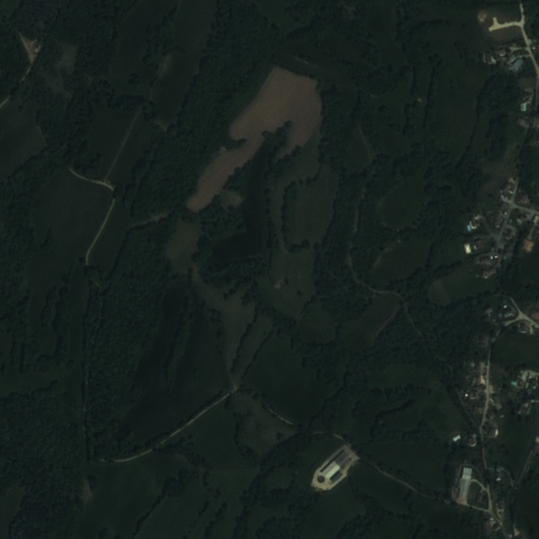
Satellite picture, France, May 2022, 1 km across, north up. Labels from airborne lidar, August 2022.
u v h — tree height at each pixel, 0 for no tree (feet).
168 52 52
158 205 52
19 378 0
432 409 0
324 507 0
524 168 47
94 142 0
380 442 31
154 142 23
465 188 33
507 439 0
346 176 56
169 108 0
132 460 0
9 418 57
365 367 51
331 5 68
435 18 0
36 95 31
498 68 35
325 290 42
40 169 61
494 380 0
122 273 50
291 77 0
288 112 0
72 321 0
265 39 66
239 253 0
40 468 51
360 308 32
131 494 0
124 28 0
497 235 0
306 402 0
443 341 47
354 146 0
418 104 41
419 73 44
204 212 42
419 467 0
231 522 0
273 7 0
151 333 40
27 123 0
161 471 0
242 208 0
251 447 0
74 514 72
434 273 26
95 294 50
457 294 0
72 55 0
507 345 0
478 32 0
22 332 69
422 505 0
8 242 36
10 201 38
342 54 0
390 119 38
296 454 42
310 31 52
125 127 0
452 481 51
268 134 19
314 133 0
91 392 53
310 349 52
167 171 71
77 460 61
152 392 0
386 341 40
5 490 28
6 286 71
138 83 61
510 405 38
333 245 42
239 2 73
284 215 36
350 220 44
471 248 0
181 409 0
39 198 0
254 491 41
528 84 0
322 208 0
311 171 0
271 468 39
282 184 0
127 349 56
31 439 32
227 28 71
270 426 0
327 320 0
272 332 22
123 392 51
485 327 48
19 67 33
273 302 0
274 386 0
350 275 46
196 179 48
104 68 67
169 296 0
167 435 29
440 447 26
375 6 0
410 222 0
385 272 0
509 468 43
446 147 0
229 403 43
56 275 0
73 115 45
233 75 69
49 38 21
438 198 51
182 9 0
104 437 75
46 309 27
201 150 50
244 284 45
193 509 0
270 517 0
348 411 0
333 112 59
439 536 71
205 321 0
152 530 0
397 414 32
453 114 0
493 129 52
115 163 0
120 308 48
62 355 56
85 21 41
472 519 17
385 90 49
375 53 63
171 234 31
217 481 0
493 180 0
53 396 68
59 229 0
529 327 0
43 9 31
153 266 55
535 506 0
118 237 0
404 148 0
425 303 44
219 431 0
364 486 0
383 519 25
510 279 55
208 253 74
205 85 52
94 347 40
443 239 46
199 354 0
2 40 51
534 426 0
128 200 56
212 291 0
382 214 0
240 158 0
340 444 0
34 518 59
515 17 0
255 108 0
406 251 0
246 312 0
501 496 20
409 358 47
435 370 51
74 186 0
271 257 19
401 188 0
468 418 33
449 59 0
